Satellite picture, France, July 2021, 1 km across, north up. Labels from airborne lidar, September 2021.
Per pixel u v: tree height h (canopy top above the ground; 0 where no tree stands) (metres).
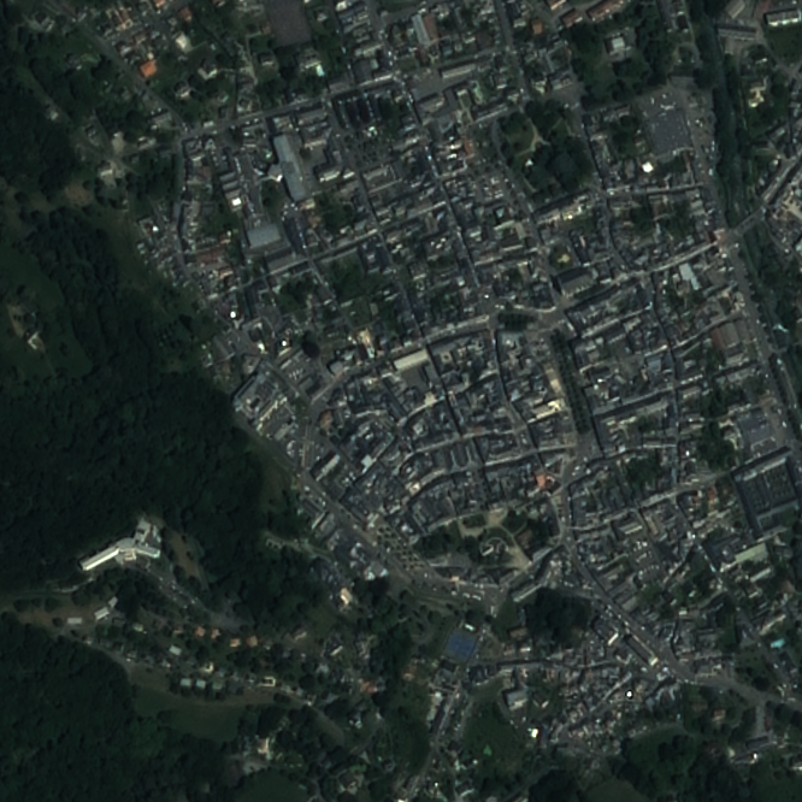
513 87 9
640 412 0
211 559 25
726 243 0
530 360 0
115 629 12
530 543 8
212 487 31
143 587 16
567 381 9
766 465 0
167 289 9
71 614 0
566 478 0
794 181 0
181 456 29
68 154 24
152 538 0
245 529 30
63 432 35
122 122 11
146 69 0
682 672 0
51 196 20
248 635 6
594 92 22
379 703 24
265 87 7
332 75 9
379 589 23
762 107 14
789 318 16
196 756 27
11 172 25
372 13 0
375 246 0
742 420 0
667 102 0
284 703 16
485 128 0
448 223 0
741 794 32
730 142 19
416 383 0
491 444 0
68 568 24
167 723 11
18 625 20
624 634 0
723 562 0
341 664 9
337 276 8
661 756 11
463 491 0
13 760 26
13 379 22
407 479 0
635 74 30
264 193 9
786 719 22
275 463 0
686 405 6
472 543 19
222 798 17
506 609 0
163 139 10
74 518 32
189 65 8
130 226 0
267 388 0
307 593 18
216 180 11
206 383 18
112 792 29
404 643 27
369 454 0
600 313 0
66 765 29
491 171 7
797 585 10
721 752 8
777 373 9
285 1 0
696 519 0
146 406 31
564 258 0
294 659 13
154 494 30
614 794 0
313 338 17
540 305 0
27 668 27
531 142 0
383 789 9
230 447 30
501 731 0
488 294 0
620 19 23
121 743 29
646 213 11
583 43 14
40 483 22
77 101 23
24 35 20
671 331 0
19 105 26
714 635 0
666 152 0
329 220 6
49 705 21
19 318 9
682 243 0
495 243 0
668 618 9
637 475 7
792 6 0
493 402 0
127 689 29
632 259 0
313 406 0
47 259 18
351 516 7
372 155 7
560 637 29
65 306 6
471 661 0
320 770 15
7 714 27
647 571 0
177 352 7
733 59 11
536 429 0
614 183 0
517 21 0
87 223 11
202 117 7
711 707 10
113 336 22
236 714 0
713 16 17
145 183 18
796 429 9
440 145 0
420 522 9
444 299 7
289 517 15
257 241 0
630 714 9
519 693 0
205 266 0
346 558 0
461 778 12
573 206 0
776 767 6
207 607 13
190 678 7
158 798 35
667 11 0
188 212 0
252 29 8
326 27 9
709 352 8
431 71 0
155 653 11
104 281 21
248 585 34
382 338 0
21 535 31
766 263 7
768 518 6
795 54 8
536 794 21
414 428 0
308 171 0
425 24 0
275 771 14
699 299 6
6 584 16
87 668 25
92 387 27
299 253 0
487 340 0
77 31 8
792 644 7
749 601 7
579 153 19
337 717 24
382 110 13
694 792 22
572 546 0
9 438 28
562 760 7
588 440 0
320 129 0
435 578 0
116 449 28
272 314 0
